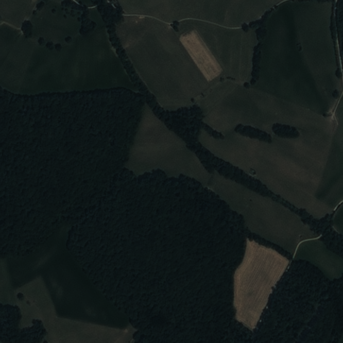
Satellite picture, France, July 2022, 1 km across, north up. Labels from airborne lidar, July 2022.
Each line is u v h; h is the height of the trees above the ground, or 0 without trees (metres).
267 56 0
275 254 0
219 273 24
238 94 0
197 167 0
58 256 0
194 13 0
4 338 13
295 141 0
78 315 0
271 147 0
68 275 0
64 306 0
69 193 26
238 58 0
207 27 0
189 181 23
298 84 0
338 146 0
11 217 25
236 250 28
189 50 0
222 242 28
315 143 0
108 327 0
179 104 0
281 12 0
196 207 23
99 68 0
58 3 0
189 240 21
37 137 19
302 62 0
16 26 0
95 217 20
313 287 23
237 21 0
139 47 0
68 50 0
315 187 0
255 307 0
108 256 25
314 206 0
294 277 21
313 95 0
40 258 0
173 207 20
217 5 0
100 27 0
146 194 26
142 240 27
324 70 0
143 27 0
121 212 23
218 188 0
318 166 0
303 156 0
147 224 24
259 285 0
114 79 0
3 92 17
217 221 26
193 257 28
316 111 0
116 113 24
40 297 0
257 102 0
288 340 28
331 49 0
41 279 0
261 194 13
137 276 23
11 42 0
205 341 28
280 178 0
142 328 24
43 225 20
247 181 23
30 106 20
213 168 15
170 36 0
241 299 0
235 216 27
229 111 0
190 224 24
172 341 18
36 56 0
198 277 22
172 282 28
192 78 0
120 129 21
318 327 27
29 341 17
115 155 21
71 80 0
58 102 22
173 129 12
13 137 24
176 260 25
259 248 0
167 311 21
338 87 0
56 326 0
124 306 19
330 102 0
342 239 18
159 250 27
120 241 23
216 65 0
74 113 20
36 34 0
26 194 19
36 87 0
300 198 0
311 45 0
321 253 0
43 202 24
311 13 0
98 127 21
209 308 27
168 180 24
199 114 19
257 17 0
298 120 0
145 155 0
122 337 0
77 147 26
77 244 20
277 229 0
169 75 0
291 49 0
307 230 0
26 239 21
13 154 21
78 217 9
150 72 0
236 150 0
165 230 23
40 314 0
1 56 0
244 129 17
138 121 14
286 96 0
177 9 0
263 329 24
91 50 0
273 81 0
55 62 0
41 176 22
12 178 24
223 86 0
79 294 0
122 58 12
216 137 13
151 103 18
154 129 0
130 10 0
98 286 20
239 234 28
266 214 0
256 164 0
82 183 20
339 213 0
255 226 0
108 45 0
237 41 0
